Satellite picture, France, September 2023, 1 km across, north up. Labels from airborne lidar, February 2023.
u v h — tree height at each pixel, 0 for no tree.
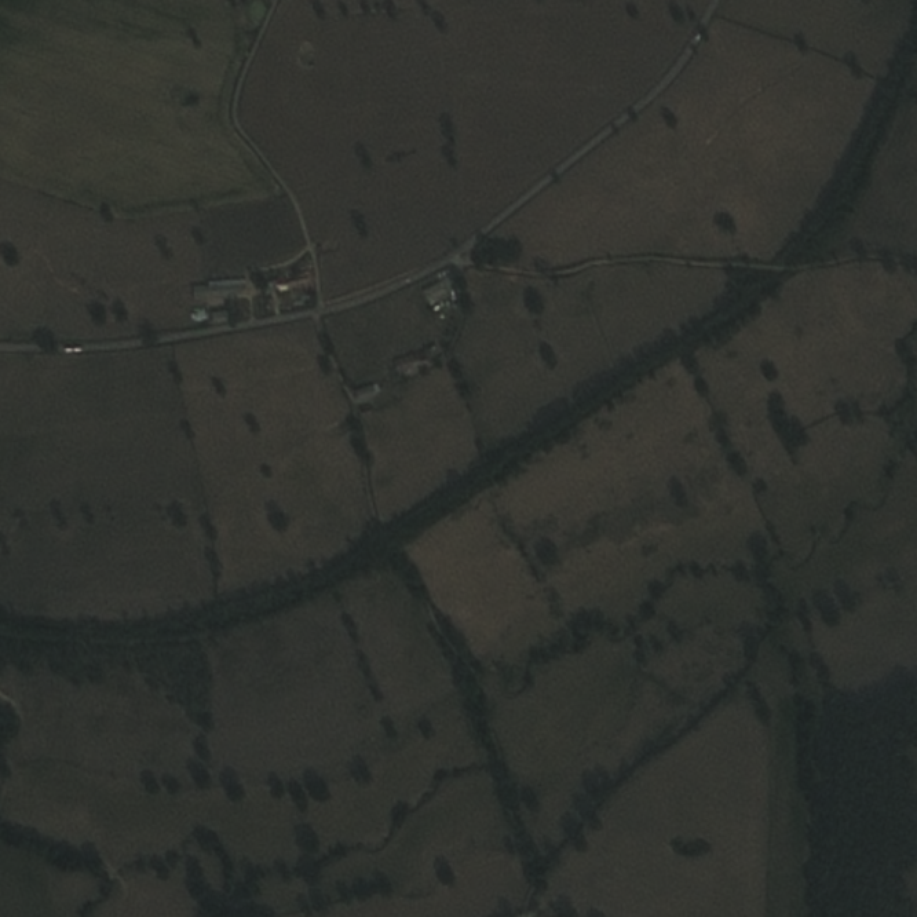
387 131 0
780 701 0
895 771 18
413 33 0
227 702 0
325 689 0
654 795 0
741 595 0
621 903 0
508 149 0
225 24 0
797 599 0
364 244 0
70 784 0
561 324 0
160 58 0
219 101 0
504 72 0
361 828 0
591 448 0
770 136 0
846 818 19
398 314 0
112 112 0
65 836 0
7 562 0
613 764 0
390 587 0
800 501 0
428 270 0
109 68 0
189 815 0
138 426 0
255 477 0
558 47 0
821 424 0
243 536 0
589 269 0
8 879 0
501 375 0
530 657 7
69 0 0
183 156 0
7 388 0
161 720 0
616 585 0
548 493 0
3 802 0
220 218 0
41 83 0
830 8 0
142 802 0
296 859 0
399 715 0
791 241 8
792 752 0
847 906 21
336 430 0
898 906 20
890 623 0
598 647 0
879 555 0
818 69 0
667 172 0
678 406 0
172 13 0
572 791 0
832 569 0
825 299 0
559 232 0
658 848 0
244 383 0
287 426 0
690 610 0
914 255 0
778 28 0
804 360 0
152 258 0
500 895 0
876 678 0
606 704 0
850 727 20
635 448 0
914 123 0
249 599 12
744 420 0
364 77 0
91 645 14
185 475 0
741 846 0
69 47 0
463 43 0
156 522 0
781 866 0
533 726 0
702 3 0
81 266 0
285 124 0
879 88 6
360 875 0
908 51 17
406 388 0
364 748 0
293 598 14
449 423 0
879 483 0
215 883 0
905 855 15
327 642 0
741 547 0
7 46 0
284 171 0
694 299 0
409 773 0
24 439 0
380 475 0
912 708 20
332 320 0
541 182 0
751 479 0
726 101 0
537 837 0
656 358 12
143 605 0
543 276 12
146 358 0
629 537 0
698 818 0
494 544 0
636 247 0
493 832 0
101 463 0
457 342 0
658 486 0
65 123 0
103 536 0
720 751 0
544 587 0
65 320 0
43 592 0
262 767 0
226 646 0
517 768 0
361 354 0
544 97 0
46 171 0
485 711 12
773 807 0
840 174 15
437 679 0
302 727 0
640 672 0
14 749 0
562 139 0
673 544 0
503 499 0
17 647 21
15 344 0
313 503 0
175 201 0
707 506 0
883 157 0
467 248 0
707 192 0
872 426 0
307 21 0
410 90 0
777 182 0
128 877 0
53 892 0
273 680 0
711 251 0
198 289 0
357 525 0
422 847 0
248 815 0
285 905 0
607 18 0
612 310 0
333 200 0
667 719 0
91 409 0
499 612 0
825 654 0
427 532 0
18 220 0
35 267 0
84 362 0
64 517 19
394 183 0
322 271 0
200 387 0
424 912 0
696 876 0
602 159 0
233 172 0
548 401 0
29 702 0
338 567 10
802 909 0
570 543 0
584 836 16
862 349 0
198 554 0
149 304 0
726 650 0
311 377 0
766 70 0
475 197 0
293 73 0
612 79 0
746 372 0
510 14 0
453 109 0
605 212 0
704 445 0
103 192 0
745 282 9
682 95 0
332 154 0
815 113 0
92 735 0
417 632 0
